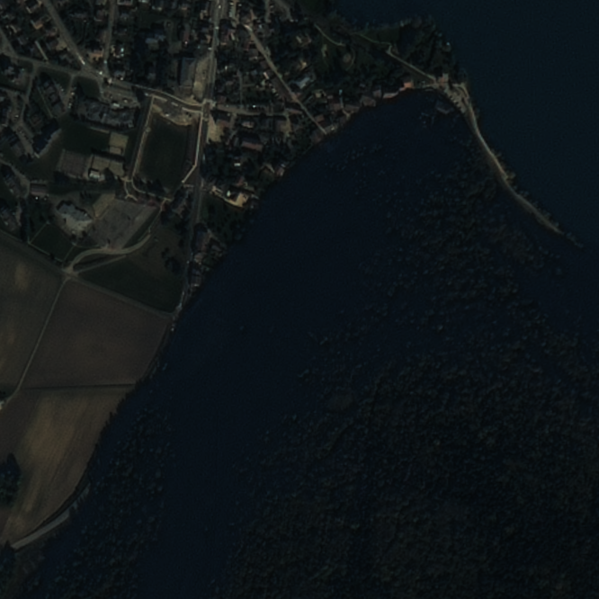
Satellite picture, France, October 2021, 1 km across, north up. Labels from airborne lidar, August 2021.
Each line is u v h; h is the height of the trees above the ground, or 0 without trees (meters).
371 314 17
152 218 0
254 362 15
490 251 16
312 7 0
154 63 0
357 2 0
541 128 0
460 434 20
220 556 9
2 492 15
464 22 0
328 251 8
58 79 0
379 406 18
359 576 26
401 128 7
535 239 8
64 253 0
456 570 10
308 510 18
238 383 10
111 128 6
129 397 0
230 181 7
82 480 0
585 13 0
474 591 12
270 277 13
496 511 24
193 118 0
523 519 25
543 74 0
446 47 18
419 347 17
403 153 10
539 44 0
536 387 14
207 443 16
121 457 17
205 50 0
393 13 0
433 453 10
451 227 12
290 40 20
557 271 27
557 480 25
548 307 13
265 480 14
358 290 9
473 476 24
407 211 16
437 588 11
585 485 13
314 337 13
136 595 12
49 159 0
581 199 0
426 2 0
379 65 12
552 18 0
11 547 0
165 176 0
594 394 27
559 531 25
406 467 21
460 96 0
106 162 0
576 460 18
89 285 0
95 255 0
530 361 17
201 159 0
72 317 0
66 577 17
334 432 12
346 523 16
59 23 0
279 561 18
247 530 17
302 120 7
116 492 15
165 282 0
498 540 25
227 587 17
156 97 0
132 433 18
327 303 7
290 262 6
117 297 0
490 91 0
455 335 16
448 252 15
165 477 11
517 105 0
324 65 0
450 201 10
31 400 0
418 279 18
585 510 16
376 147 16
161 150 0
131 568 9
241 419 9
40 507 0
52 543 0
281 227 8
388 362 19
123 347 0
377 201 8
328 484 15
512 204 8
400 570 14
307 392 16
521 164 0
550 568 20
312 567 15
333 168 7
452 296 20
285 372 10
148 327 0
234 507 13
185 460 11
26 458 0
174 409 8
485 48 0
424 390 19
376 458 20
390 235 16
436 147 8
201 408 14
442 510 18
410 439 14
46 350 0
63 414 0
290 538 14
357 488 19
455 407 17
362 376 12
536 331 15
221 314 6
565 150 0
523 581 16
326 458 14
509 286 12
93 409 0
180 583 12
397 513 13
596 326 23
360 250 16
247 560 16
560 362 17
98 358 0
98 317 0
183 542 14
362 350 18
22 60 0
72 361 0
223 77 9
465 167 19
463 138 6
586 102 0
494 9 0
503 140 0
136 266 0
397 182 19
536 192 0
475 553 15
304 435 13
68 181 14
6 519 0
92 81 0
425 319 20
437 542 14
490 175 5
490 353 20
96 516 13
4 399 6
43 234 0
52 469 0
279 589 13
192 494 16
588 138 0
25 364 0
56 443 0
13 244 0
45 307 0
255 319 10
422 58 9
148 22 0
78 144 0
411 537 11
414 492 21
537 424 16
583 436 10
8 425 0
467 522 14
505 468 18
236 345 8
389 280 18
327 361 15
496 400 22
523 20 0
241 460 12
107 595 11
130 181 0
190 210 13
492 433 26
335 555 15
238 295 8
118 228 0
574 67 0
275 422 13
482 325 13
